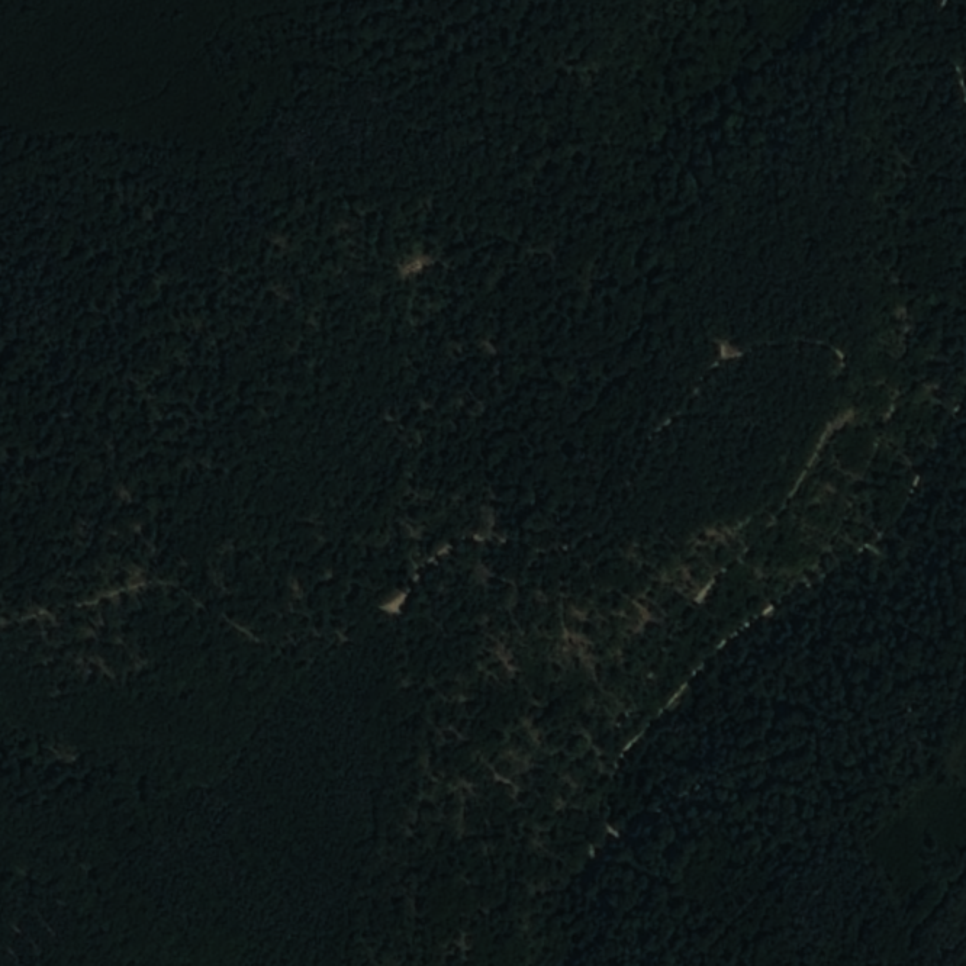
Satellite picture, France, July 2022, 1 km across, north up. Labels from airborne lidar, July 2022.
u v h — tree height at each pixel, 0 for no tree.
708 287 19
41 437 16
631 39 24
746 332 16
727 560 21
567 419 27
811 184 23
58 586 19
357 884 19
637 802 12
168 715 14
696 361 15
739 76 9
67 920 19
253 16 8
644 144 13
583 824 22
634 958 10
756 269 18
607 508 21
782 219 21
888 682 31
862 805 26
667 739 32
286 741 13
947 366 24
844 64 22
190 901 13
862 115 20
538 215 23
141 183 22
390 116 14
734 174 14
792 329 14
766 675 35
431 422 12
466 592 15
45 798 20
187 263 19
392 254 18
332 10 22
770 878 12
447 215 23
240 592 6
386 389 16
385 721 18
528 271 14
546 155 26
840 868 28
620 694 7
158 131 10
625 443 18
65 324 23
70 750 17
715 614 22
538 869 28
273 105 7
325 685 14
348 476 16
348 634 15
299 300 16
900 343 9
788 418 15
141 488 8
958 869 17
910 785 26
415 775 25
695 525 17
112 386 9
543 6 11
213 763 14
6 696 10
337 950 10
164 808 15
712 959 16
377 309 18
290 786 11
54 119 14
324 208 16
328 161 17
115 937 20
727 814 29
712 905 10
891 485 30
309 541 17
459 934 14
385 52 27
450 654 20
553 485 26
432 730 8
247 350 18
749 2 31
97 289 19
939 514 28
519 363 8
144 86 11
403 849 20
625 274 24
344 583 19
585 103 7
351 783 13
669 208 18
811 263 18
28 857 15
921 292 21
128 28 12
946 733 22
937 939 24
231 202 16
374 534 20
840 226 18
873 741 28
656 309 11
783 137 19
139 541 23
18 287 26
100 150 21
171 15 14
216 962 9
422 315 20
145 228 20
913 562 7
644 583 21
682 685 11
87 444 22
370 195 17
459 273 12
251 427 16
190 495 18
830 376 15
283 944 6
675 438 19
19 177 17
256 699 12
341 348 15
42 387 20
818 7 14
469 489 11
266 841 11
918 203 24
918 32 17
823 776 30
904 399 12
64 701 13
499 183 21
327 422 15
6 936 15
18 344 24
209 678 14
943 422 24
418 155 16
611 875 26
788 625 20
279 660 9
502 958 11
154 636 19
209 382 17
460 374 17
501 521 12
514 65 22
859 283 16
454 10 26
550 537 11
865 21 30
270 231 23
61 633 16
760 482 18
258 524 14
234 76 6
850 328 14
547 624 7
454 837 11
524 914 23
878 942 28
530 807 23
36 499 6
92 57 14
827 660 23
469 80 20
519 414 23
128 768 15
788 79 30
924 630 33
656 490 16
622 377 7
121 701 13
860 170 21
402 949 20
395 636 15
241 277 20
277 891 12
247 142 9
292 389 19
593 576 9
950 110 25
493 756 7
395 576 17
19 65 12
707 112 34
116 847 17
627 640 7
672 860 25
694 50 34
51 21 12
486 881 21
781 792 28
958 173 31
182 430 27
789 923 6
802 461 19
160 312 21
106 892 18
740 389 13
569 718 9
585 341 21
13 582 12
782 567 19
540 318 22
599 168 23
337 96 16
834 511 8
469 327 20
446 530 9
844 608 15
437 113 17
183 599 17
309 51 9
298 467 15
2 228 27
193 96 12
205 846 11
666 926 25
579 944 35
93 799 28
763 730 31
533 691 13
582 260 22
